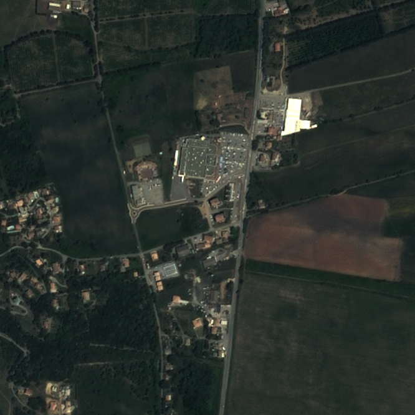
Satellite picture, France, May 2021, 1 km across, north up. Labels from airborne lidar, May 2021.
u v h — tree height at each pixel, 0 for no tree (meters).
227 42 6
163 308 0
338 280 0
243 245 0
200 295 0
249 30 10
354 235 0
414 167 0
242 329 0
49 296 15
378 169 0
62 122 0
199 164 0
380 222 0
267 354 0
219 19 10
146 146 0
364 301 0
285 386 0
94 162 0
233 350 0
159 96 0
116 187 0
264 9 0
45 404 10
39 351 7
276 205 7
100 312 11
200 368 6
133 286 9
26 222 6
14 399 9
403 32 15
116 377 8
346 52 14
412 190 0
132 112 0
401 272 0
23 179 7
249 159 0
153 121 0
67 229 0
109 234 0
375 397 0
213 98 0
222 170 0
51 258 0
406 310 0
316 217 0
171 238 0
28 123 7
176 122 0
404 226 0
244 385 0
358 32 10
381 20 17
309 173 0
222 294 0
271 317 0
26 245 17
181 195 0
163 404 8
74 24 0
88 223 0
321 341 0
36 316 6
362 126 0
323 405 0
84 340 8
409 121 0
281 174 0
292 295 0
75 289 13
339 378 0
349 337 0
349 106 0
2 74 0
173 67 0
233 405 0
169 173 0
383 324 0
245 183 0
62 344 10
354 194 0
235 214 0
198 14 0
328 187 0
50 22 0
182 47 8
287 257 0
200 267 0
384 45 0
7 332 10
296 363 0
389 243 0
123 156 0
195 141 0
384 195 0
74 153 0
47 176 0
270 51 11
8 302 7
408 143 0
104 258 6
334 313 0
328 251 0
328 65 0
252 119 0
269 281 0
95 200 0
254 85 0
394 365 0
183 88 0
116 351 10
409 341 0
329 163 0
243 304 0
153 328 11
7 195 6
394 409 0
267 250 0
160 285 0
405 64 0
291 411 0
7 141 8
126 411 0
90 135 0
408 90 0
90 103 8
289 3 13
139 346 9
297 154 7
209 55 7
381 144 0
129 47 7
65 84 12
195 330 0
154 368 9
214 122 14
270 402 0
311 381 0
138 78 0
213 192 0
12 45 15
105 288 10
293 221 0
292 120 0
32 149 9
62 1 0
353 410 0
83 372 0
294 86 0
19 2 0
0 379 0
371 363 0
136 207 0
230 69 0
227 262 0
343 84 0
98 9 12
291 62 7
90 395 0
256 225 0
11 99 0
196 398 12
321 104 0
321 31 6
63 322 7
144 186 0
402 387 0
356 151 0
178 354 10
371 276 0
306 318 0
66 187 0
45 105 0
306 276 0
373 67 0
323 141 0
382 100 0
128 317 8
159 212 0
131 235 0
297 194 0
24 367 8
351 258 0
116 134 0
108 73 14
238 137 0
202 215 0
